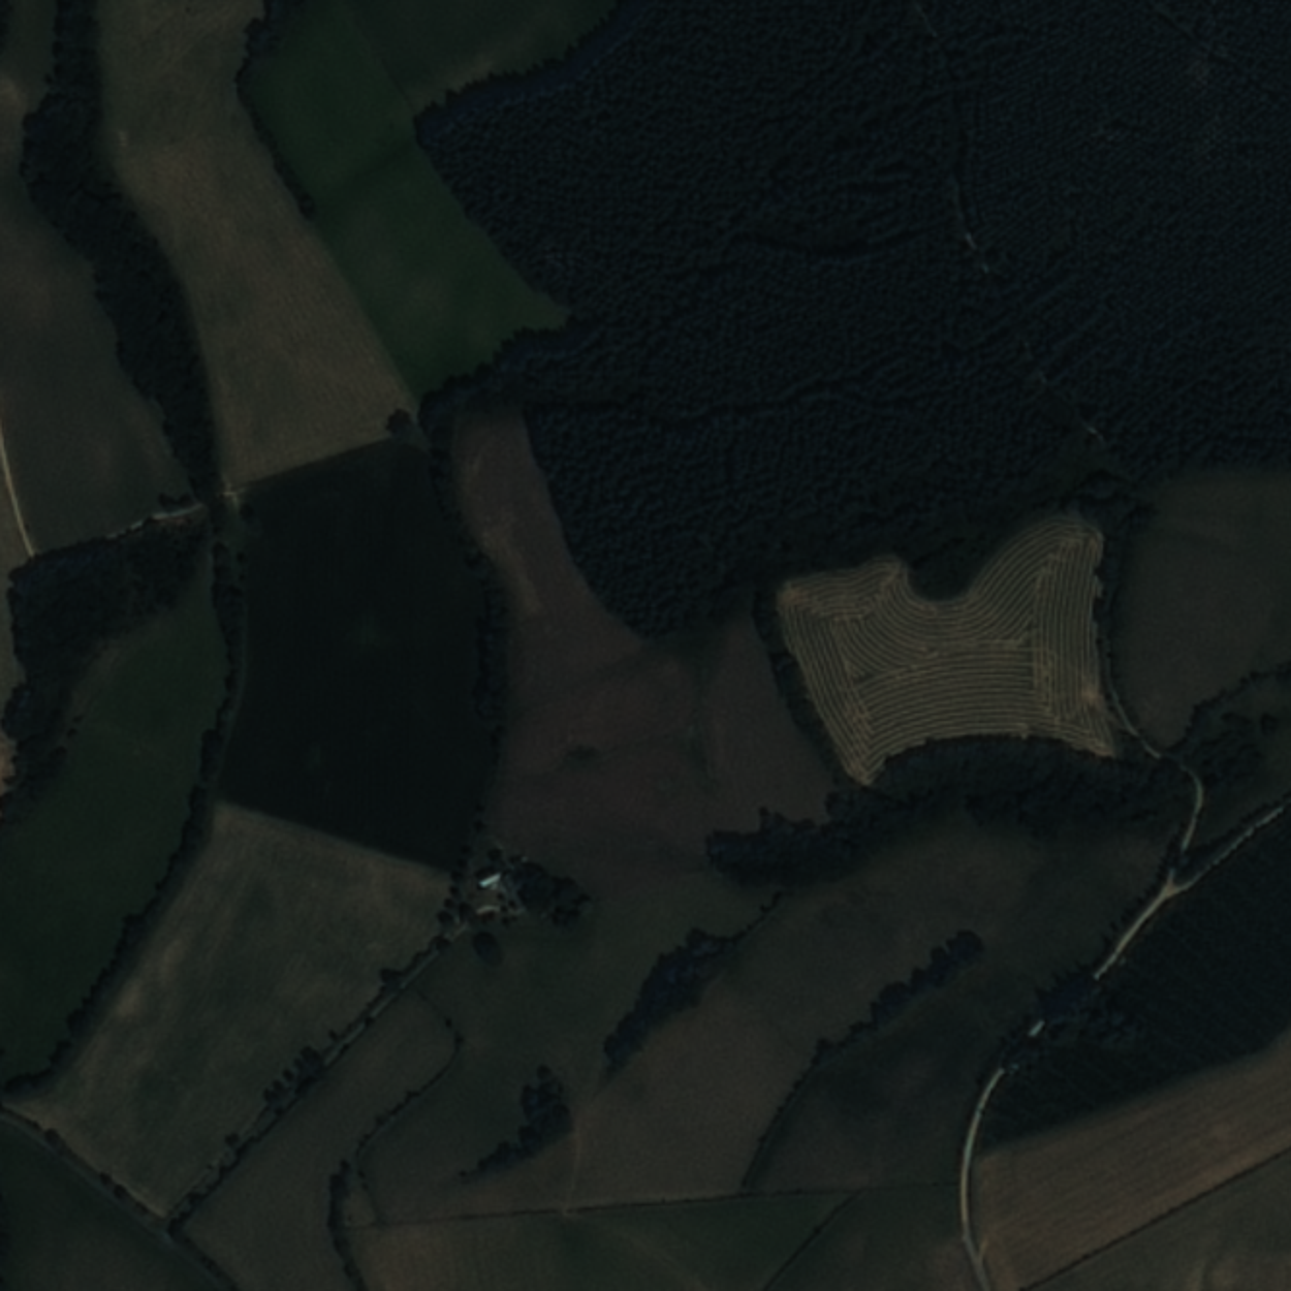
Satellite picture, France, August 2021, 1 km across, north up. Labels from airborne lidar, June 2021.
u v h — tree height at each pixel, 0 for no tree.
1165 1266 0
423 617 0
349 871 0
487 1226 0
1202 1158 0
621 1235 0
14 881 0
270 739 0
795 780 0
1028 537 0
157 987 0
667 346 35
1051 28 12
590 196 28
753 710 0
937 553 8
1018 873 0
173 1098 0
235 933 0
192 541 8
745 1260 0
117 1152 0
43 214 12
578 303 30
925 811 27
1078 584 0
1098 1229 0
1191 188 18
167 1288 0
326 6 0
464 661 0
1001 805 22
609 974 0
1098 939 0
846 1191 0
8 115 0
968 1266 0
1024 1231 0
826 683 0
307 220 11
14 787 11
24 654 20
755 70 30
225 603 16
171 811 0
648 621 30
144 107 0
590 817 0
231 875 0
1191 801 6
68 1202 0
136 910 0
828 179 34
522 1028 0
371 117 0
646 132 27
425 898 0
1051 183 17
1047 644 0
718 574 19
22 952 0
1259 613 0
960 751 14
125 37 0
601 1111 0
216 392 0
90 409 0
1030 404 29
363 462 0
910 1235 0
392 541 0
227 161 0
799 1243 0
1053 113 19
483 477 0
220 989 0
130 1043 0
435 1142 0
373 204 0
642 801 0
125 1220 0
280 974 0
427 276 0
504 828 0
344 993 0
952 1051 0
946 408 34
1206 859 11
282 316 0
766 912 7
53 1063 8
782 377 31
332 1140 0
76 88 16
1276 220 20
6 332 0
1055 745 11
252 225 0
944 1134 0
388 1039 0
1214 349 23
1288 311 18
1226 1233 0
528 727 0
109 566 26
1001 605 0
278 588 0
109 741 0
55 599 25
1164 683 0
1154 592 0
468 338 0
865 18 33
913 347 34
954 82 21
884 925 0
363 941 0
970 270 32
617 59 26
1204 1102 0
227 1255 0
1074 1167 0
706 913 0
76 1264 0
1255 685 8
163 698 0
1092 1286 0
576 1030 0
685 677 0
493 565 13
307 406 0
